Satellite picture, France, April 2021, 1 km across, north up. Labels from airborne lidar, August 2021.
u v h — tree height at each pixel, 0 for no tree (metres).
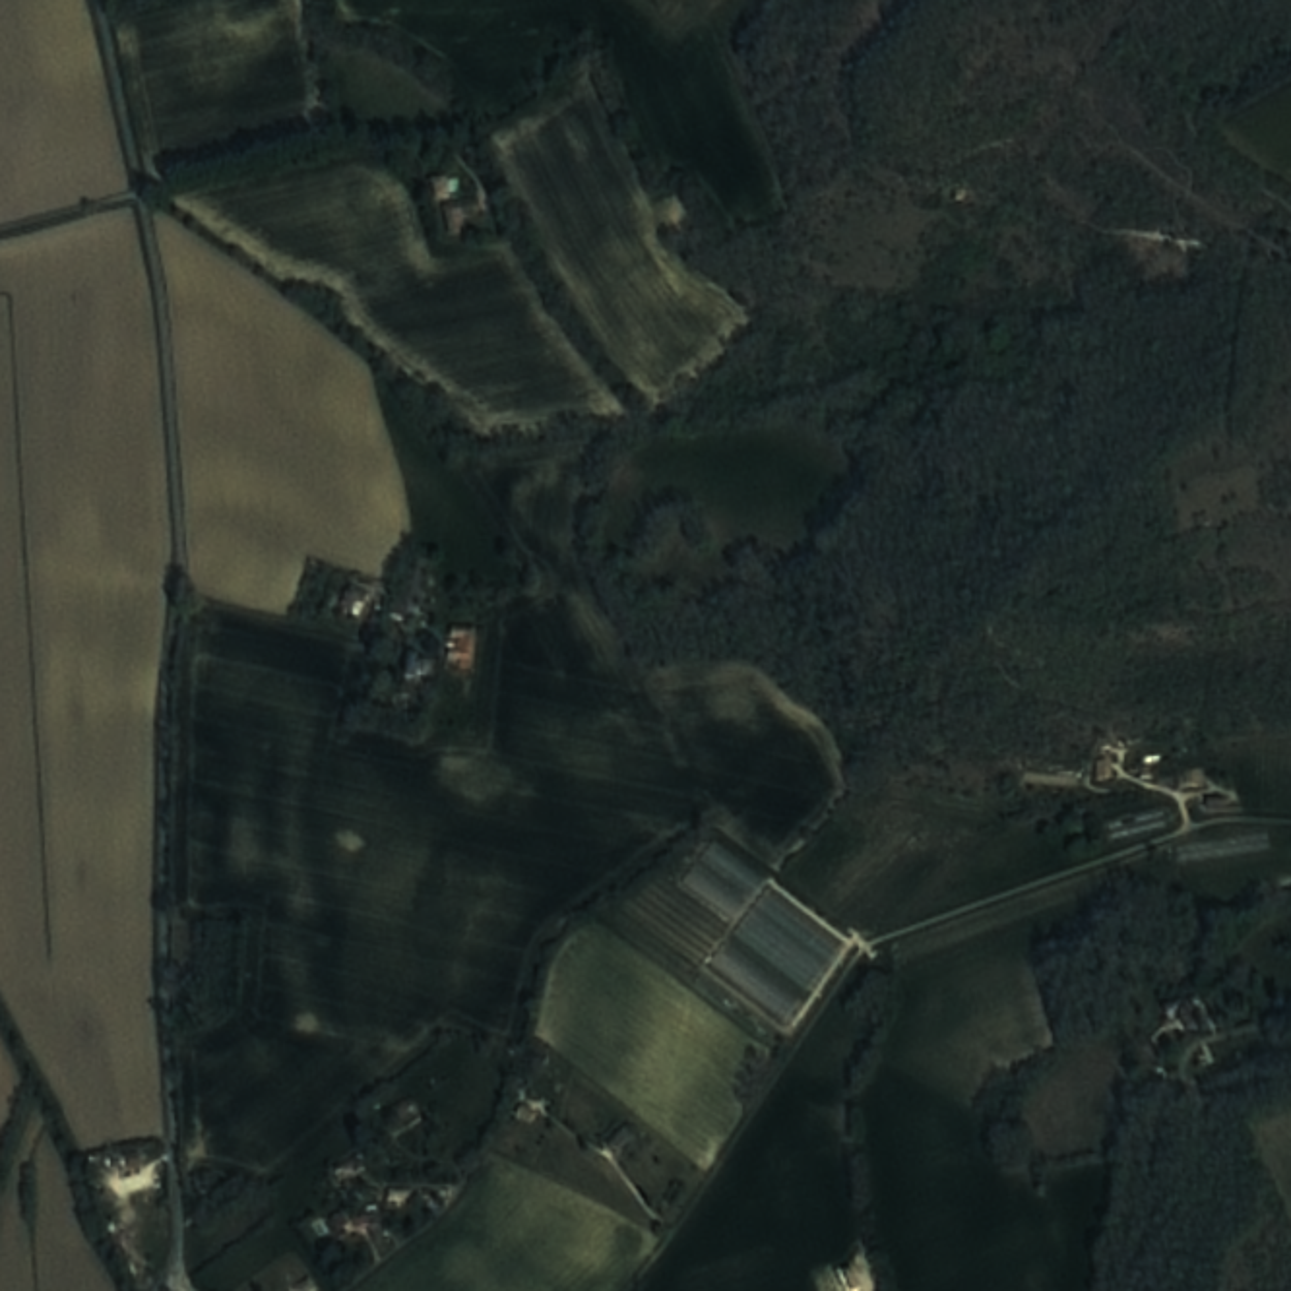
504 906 0
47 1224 0
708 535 19
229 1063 0
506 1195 0
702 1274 0
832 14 13
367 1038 0
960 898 0
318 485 0
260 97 0
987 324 8
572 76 12
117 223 0
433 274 0
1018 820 9
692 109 0
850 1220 0
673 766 0
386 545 0
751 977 0
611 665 0
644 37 0
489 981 0
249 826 0
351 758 0
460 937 0
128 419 0
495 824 0
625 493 0
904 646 11
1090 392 22
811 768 0
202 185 25
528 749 0
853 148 9
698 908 0
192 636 0
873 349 7
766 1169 0
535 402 0
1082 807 7
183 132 0
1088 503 10
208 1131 0
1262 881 0
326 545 0
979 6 13
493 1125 6
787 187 14
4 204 0
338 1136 0
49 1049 0
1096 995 25
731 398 8
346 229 0
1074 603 12
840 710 16
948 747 14
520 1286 0
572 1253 0
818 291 22
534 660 0
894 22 12
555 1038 0
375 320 0
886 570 18
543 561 0
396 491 0
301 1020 0
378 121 0
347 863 0
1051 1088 0
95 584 0
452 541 0
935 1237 0
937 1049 0
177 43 0
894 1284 10
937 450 15
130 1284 11
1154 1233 15
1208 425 14
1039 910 0
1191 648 7
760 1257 0
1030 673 17
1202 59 14
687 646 25
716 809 0
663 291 0
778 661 19
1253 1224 10
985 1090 9
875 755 20
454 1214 0
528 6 0
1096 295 19
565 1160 0
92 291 0
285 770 0
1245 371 15
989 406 21
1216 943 21
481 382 0
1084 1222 0
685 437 17
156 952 0
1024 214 18
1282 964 0
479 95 0
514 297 0
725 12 0
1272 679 11
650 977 0
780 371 8
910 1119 0
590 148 0
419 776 0
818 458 0
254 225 0
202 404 0
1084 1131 0
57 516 0
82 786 0
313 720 0
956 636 15
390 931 0
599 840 0
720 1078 0
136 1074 0
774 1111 0
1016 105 7
